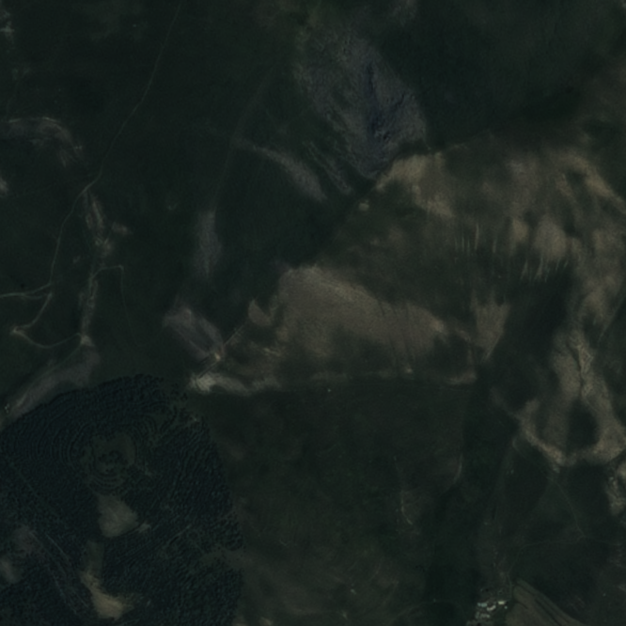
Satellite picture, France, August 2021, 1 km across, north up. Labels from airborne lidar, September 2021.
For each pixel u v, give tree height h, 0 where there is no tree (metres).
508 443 0
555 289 0
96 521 6
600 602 0
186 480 7
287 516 0
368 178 0
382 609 0
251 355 0
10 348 0
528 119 0
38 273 0
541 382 0
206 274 0
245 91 0
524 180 0
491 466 0
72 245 0
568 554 0
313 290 0
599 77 0
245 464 0
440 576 0
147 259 0
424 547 0
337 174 0
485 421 0
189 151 0
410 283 0
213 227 0
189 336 0
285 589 0
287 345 0
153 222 0
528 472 0
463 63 0
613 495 0
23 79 0
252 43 0
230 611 7
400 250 0
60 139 0
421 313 0
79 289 0
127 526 0
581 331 0
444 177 0
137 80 0
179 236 0
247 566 0
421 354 0
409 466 0
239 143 0
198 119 0
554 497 0
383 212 0
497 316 0
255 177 0
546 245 0
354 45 0
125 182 0
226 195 0
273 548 0
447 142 0
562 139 0
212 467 6
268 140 0
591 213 0
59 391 0
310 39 0
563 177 0
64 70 0
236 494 0
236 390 0
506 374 0
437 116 0
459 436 0
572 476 0
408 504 0
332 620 0
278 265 0
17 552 7
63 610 8
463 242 0
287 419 0
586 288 0
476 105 0
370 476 0
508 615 0
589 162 0
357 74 0
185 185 0
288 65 0
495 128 0
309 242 0
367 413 0
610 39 0
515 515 0
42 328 0
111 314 0
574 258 0
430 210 0
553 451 0
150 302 0
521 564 0
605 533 0
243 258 0
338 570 0
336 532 0
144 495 6
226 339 0
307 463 0
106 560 6
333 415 0
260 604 0
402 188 0
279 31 0
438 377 0
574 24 0
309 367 0
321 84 0
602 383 0
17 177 0
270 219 0
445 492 0
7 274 0
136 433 8
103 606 0
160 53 0
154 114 0
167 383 0
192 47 0
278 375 0
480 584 0
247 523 0
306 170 0
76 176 0
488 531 0
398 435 0
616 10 0
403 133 0
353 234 0
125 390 8
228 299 0
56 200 0
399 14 0
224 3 0
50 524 6
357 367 0
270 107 0
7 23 0
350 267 0
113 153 0
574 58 0
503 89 0
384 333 0
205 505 6
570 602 0
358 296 0
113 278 0
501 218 0
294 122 0
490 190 0
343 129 0
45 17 0
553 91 0
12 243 0
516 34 0
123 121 0
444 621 0
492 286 0
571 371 0
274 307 0
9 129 0
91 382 0
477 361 0
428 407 0
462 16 0
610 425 0
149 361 0
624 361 0
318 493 0
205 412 0
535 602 0
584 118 0
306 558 0
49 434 7
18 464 6
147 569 9
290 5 0
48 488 7
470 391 0
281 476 0
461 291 0
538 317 0
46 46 0
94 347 0
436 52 0
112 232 0
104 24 0
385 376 0
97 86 0
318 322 0
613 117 0
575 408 0
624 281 0
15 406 0
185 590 9
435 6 0
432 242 0
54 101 0
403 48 0
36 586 12
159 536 7
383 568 0
